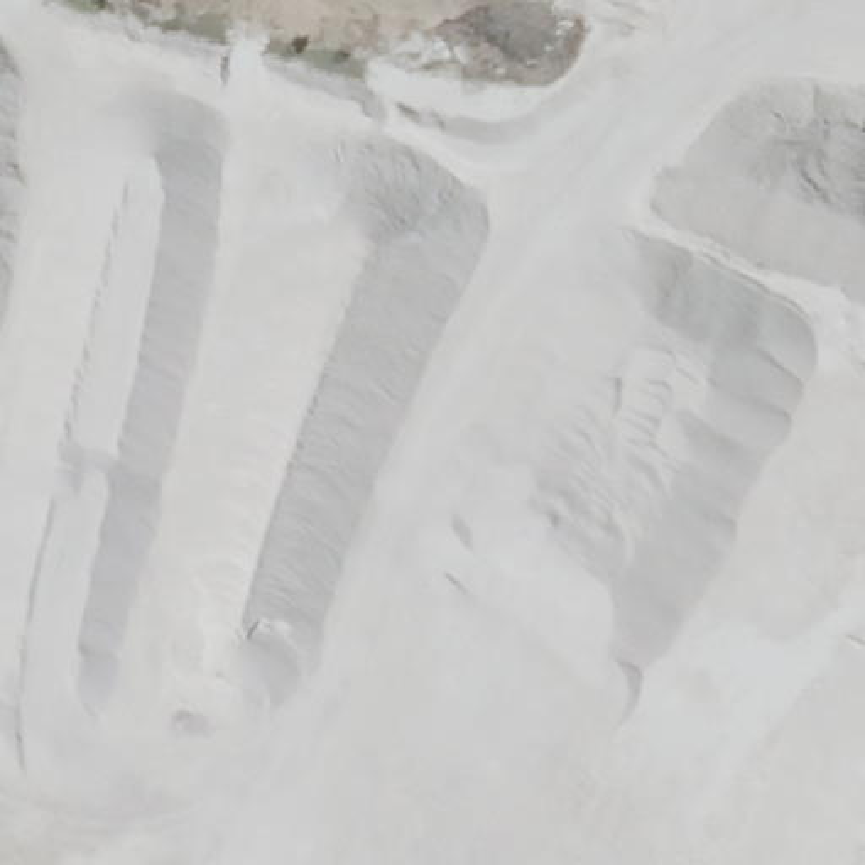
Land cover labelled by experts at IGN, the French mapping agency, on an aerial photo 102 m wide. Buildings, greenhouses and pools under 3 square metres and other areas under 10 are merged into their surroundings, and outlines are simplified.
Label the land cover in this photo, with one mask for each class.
<instances>
[{"label":"pervious surface","instance_id":"1","mask_svg":"<svg viewBox=\"0 0 865 865\"><path fill-rule=\"evenodd\" d=\"M480 0H253L250 20L226 30V44H213L189 34L152 30L139 17H118L105 10L84 14L61 0H0V865H865V0H544L554 10H574L585 17V41L571 68L558 81L541 88H520L460 81L470 47L446 44L439 37V20L460 17ZM294 37H307V44L324 51H351V57L368 68L365 78H345L318 71L301 57L267 54L270 41Z\"/></svg>","mask_w":865,"mask_h":865},{"label":"herbaceous vegetation","instance_id":"2","mask_svg":"<svg viewBox=\"0 0 865 865\"><path fill-rule=\"evenodd\" d=\"M84 14L105 10L118 17H139L152 30L189 34L213 44H226V30L250 20L253 0H61ZM439 37L446 44L470 47L460 81L520 88H541L558 81L571 68L585 41V17L574 10H554L544 0H480L460 17L439 20ZM267 54L301 57L318 71L345 78H365L368 68L351 57V51H324L307 44V37H294L270 41Z\"/></svg>","mask_w":865,"mask_h":865}]
</instances>
